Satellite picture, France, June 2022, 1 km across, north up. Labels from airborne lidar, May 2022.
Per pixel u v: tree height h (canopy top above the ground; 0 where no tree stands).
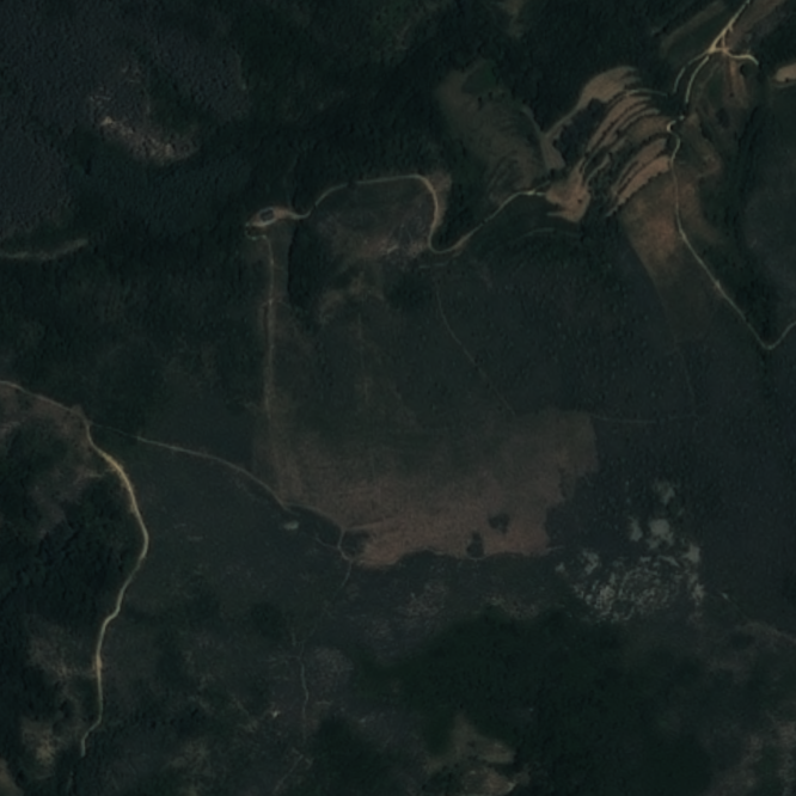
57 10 16
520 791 7
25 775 8
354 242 0
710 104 0
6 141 16
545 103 7
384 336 0
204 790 0
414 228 0
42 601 12
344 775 7
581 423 0
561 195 0
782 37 9
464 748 0
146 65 9
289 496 0
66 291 12
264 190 12
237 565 0
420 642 0
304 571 0
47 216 12
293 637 0
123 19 16
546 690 6
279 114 6
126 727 6
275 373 0
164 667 0
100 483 7
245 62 10
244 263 7
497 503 0
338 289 0
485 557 0
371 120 21
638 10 12
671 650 0
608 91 0
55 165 15
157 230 35
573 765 6
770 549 0
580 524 0
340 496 0
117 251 13
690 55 0
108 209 19
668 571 0
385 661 0
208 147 16
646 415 0
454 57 19
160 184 29
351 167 6
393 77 11
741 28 0
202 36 15
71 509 12
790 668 0
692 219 0
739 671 0
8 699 14
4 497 10
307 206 15
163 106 8
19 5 16
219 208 22
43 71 15
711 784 0
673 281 0
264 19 11
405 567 0
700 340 0
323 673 0
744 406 0
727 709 0
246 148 22
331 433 0
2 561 20
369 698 0
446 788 6
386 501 0
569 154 14
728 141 0
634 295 0
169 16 17
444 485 0
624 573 0
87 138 14
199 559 0
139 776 0
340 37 11
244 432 0
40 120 19
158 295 9
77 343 8
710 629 0
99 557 15
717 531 0
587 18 12
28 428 0
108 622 0
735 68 0
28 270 19
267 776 0
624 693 0
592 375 0
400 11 11
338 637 0
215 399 0
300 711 0
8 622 12
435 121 14
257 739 0
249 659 0
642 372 0
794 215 0
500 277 0
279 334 0
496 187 0
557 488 0
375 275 0
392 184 0
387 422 0
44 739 0
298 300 14
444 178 0
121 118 11
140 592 0
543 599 0
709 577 0
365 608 0
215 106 21
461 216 8
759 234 0
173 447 0
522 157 0
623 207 9
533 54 8
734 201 0
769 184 0
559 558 0
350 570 0
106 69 16
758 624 0
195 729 11
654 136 7
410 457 0
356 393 0
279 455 0
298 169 8
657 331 0
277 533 0
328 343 0
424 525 0
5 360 0
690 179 0
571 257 7
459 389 0
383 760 6
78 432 0
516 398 0
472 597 0
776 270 0
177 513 0
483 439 0
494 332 0
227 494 0
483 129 0
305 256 15
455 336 0
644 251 0
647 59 15
